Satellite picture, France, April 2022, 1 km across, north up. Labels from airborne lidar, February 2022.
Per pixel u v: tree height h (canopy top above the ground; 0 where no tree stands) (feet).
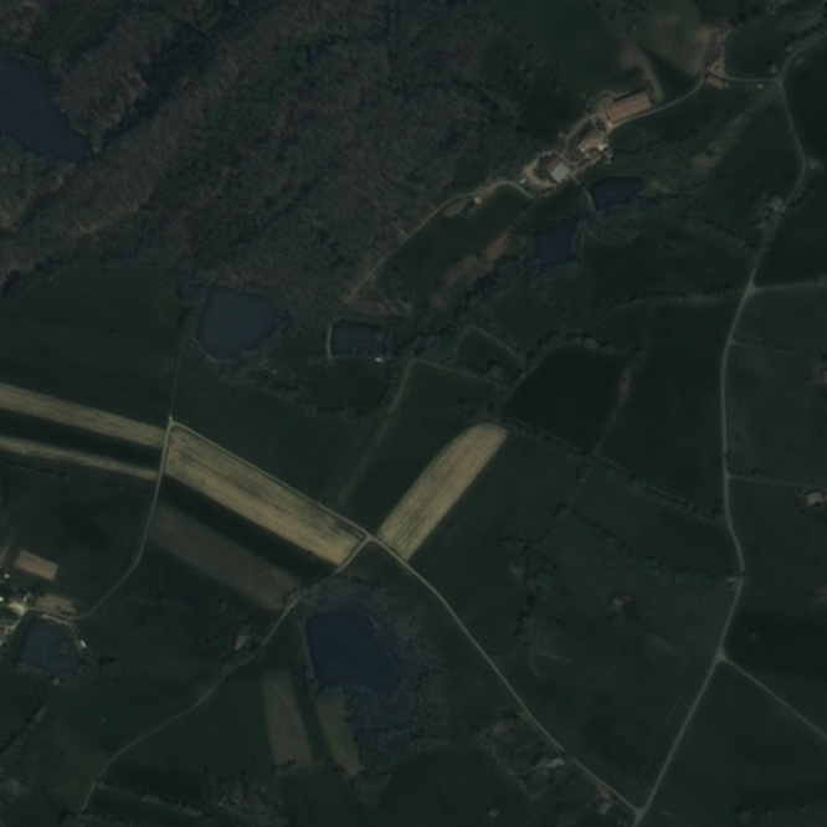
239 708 0
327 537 0
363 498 0
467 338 0
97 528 0
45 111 0
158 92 96
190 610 0
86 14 26
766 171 0
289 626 0
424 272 0
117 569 0
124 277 0
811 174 0
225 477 0
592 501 0
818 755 0
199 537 0
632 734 0
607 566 0
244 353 32
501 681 0
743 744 0
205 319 0
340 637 0
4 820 0
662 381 0
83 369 0
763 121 0
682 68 0
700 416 0
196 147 79
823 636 0
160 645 0
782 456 0
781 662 0
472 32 85
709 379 0
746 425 0
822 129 0
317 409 55
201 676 0
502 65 0
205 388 0
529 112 0
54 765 0
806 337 0
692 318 0
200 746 0
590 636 0
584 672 0
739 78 0
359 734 46
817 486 0
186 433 0
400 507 0
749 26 70
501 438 0
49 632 0
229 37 80
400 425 0
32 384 0
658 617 0
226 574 0
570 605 0
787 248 0
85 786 0
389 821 0
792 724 0
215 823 26
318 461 0
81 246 0
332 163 84
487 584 0
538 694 0
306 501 0
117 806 0
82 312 0
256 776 0
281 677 0
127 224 0
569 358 0
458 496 0
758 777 0
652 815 0
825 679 0
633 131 0
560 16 0
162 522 0
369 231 92
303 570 0
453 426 0
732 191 0
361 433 0
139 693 0
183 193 57
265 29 99
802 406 0
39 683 0
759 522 0
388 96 85
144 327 0
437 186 89
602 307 0
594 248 0
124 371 0
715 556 0
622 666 0
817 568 0
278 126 53
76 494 0
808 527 0
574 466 0
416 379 0
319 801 0
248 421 0
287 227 96
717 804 0
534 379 0
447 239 0
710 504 0
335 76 91
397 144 95
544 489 0
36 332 0
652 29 0
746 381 0
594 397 0
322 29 85
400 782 0
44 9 86
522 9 0
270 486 0
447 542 0
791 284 0
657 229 0
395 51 91
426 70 81
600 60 0
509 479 0
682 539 0
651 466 0
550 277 58
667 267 0
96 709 0
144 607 0
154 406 0
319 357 0
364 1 93
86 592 0
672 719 0
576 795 0
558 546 0
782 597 0
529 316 0
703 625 0
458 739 0
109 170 96
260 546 0
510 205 0
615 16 42
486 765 0
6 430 0
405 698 0
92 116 64
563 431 0
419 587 0
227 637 19
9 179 94
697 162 0
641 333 0
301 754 0
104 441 0
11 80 0
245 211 70
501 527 0
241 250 82
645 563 27
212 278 86
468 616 0
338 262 72
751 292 0
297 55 59
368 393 0
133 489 0
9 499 0
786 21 0
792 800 0
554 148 44
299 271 105
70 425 0
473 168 39
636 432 0
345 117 88
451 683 0
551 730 0
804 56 0
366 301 0
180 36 76
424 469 0
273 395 64
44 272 73
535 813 0
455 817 0
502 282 66
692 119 0
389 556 0
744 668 0
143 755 0
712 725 0
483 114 95
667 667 0
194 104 94
